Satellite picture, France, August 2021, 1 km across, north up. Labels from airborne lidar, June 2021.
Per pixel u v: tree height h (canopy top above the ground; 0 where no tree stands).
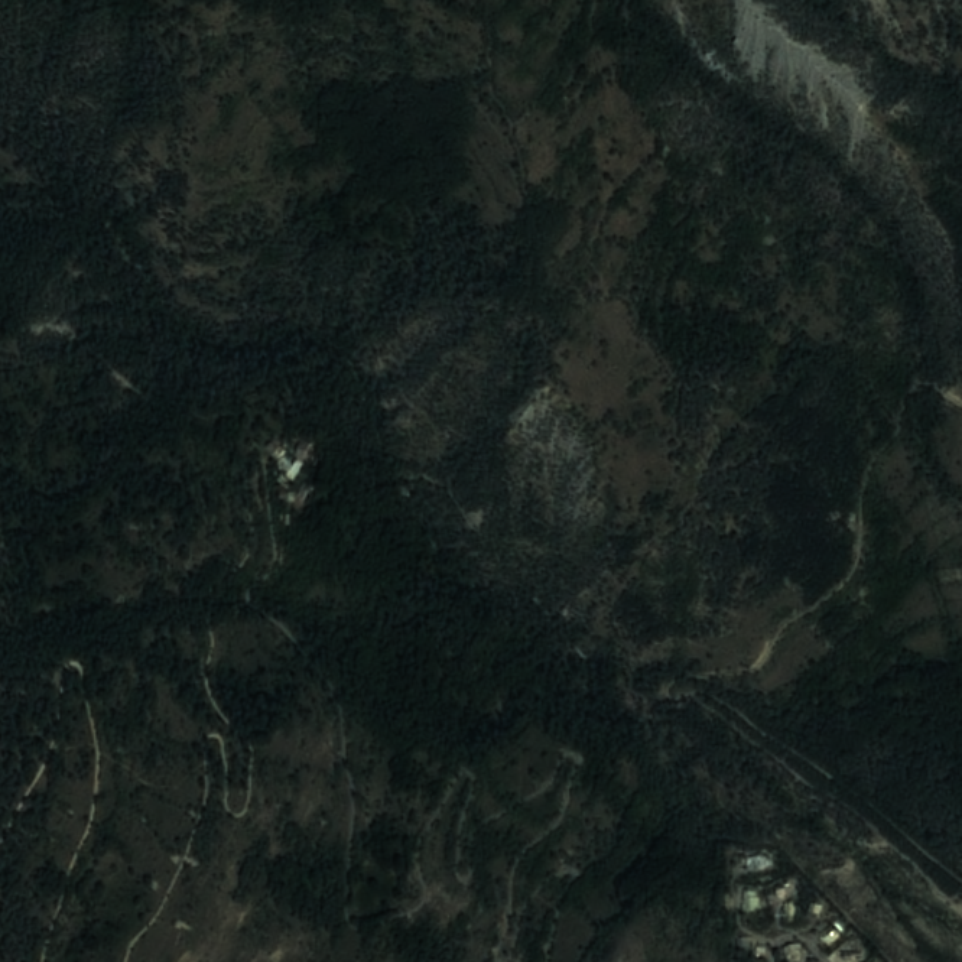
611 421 10
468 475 10
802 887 7
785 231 11
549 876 6
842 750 14
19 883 14
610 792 7
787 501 8
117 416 10
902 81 7
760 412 9
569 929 0
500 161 0
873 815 9
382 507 18
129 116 12
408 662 14
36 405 11
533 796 0
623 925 7
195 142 9
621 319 0
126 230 22
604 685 16
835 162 9
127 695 6
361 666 14
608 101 0
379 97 19
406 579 13
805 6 14
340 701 17
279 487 10
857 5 9
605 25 8
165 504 19
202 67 6
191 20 9
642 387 10
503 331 6
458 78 7
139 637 15
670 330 15
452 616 16
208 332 9
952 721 16
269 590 11
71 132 17
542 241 13
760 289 6
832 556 8
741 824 7
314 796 0
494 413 6
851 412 8
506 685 11
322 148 9
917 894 0
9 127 17
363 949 7
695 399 15
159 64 11
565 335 10
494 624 21
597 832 9
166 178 6
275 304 14
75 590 15
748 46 0
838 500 7
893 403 7
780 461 9
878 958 6
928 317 15
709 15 14
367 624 9
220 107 8
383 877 0
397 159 13
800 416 9
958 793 18
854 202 14
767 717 13
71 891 10
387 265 11
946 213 7
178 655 9
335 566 10
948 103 12
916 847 6
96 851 9
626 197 6
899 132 6
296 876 12
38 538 15
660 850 20
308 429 6
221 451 8
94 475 13
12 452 7
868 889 0
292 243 10
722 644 0
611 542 7
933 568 13
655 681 12
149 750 6
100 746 7
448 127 18
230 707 17
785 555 9
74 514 9
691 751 6
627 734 14
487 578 11
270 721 12
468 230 8
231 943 0
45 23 7
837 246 7
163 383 26
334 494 12
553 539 6
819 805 8
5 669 11
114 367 18
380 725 10
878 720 18
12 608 15
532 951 9
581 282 11
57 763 15
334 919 9
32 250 20
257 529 7
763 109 8
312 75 12
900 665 10
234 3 8
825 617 7
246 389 15
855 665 9
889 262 14
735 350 12
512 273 8
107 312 19
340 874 16
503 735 25
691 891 15
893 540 8
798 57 0
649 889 22
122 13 14
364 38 9
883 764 12
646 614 8
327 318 12
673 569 9
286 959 0
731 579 12
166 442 16
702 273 11
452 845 8
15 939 16
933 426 13
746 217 6
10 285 16
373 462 22
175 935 0
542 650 13
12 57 16
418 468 9
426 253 13
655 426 7
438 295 17
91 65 9
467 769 7
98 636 18
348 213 9
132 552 7
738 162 20
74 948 6
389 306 17
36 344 6
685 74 14
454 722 16
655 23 13
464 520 6
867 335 7
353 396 13
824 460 7
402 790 7
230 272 13
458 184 8
